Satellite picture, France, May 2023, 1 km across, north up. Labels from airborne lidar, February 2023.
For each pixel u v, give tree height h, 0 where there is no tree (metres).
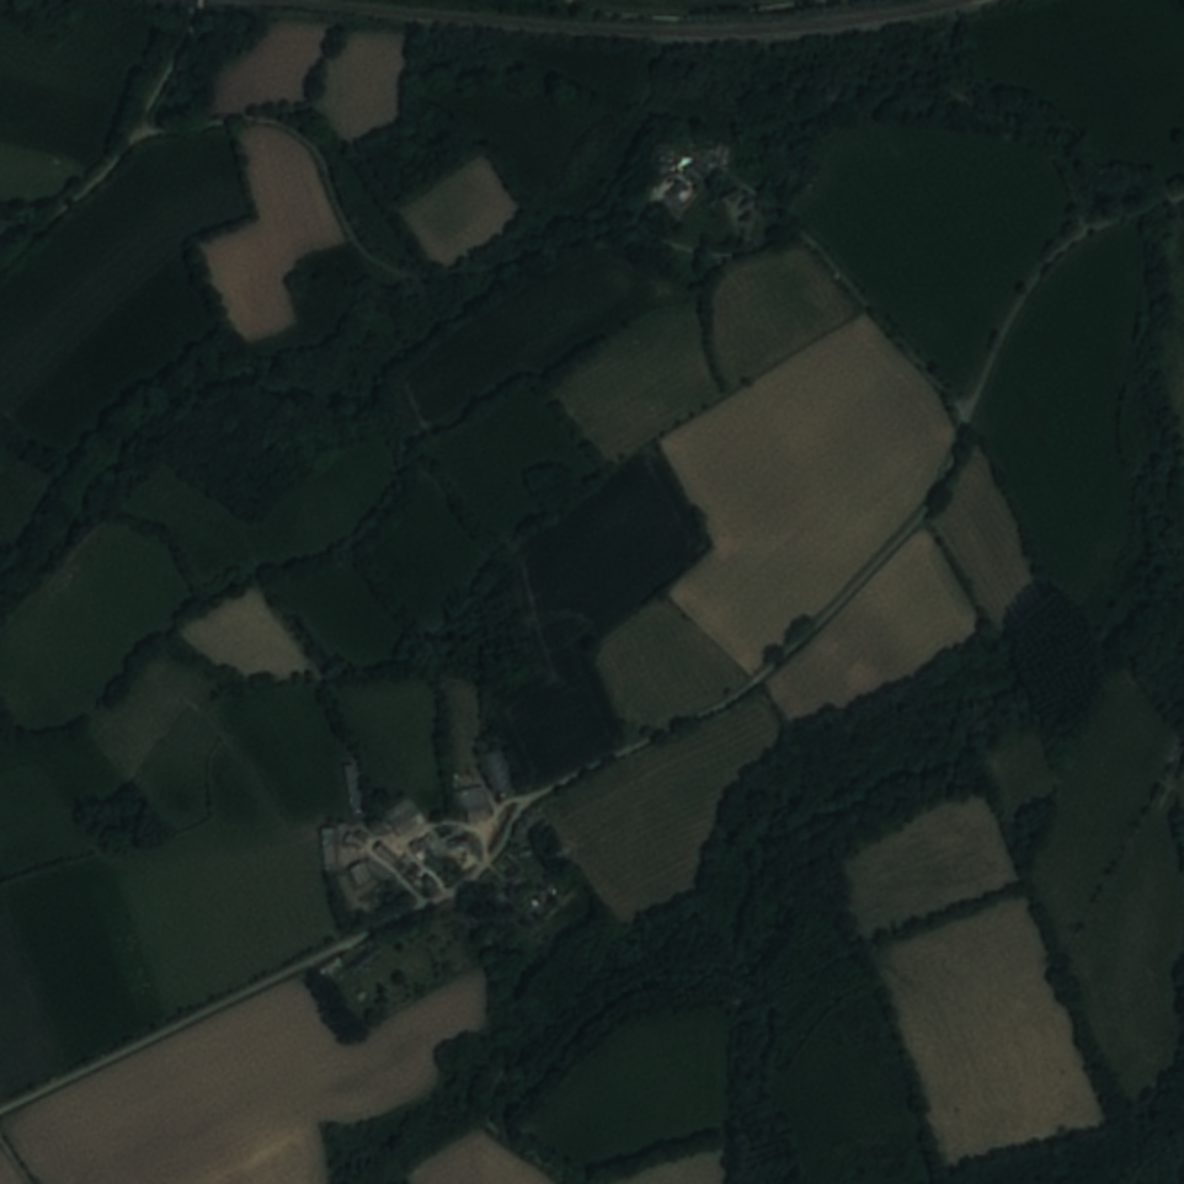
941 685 19
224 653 0
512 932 13
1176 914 0
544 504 13
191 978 0
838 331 0
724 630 0
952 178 0
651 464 0
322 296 0
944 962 0
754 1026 15
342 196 10
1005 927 0
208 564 0
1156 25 0
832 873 20
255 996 0
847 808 15
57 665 0
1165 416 16
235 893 0
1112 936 0
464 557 0
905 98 12
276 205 0
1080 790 0
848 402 0
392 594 12
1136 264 0
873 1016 0
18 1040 0
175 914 0
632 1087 0
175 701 0
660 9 0
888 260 0
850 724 18
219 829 0
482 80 19
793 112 9
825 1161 0
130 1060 0
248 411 26
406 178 9
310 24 0
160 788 0
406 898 9
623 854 0
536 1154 21
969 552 0
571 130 0
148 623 0
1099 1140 12
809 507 0
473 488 0
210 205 0
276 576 12
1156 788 7
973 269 0
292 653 0
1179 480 15
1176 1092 20
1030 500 0
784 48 16
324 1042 0
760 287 0
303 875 0
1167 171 0
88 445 16
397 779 0
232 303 0
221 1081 0
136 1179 0
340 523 0
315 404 24
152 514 0
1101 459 0
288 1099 0
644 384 0
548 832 8
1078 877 0
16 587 22
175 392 22
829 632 0
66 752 0
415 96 14
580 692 0
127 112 16
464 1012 0
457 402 0
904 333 6
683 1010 8
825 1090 0
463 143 17
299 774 0
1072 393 0
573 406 0
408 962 0
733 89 10
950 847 0
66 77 0
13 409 0
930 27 9
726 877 19
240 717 0
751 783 20
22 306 0
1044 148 8
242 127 14
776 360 0
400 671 14
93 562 0
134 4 12
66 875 0
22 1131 0
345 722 6
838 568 0
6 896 0
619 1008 14
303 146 0
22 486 0
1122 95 0
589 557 0
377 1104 0
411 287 9
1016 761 0
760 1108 14
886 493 0
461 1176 0
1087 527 0
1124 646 21
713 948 33
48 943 0
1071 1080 0
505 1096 11
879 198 0
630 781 0
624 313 0
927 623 0
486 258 17
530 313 0
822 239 0
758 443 0
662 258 8
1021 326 0
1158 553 8
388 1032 0
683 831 0
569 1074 9
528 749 0
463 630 22
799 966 16
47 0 11
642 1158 12
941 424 0
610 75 0
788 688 0
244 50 17
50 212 14
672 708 0
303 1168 0
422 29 14
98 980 0
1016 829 9
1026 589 0
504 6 7
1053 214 0
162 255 0
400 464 7
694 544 0
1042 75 0
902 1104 0
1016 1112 0
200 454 21
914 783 24
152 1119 0
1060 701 31
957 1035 0
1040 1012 0
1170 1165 13
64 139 0
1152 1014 0
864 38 8
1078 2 0
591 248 12
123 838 18
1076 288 0
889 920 0
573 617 0
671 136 14
